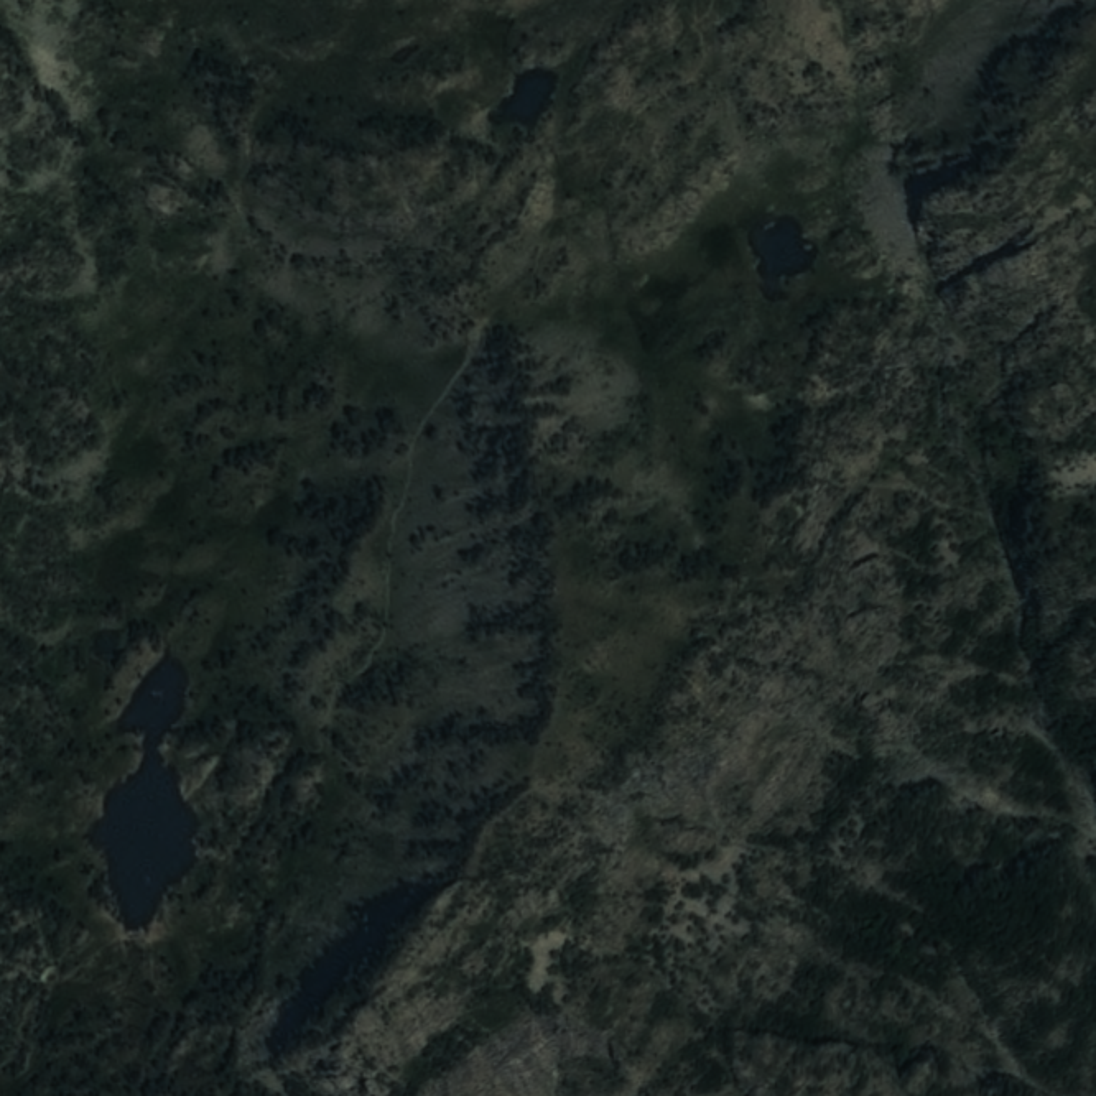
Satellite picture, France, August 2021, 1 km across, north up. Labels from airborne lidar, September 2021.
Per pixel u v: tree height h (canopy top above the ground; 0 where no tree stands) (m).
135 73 0
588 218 0
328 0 0
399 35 0
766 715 0
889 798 15
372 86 0
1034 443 20
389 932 5
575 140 0
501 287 0
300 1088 7
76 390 9
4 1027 7
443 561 0
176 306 0
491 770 0
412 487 0
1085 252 0
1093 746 18
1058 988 8
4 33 10
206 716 0
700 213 0
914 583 11
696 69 0
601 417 0
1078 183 0
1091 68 0
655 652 0
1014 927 18
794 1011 8
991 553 7
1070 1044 8
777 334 0
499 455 9
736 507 0
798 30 0
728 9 0
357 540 8
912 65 0
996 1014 6
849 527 6
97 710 0
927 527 11
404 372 0
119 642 0
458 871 7
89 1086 7
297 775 6
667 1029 0
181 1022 8
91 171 9
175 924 0
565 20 0
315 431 0
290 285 0
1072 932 8
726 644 5
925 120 0
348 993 11
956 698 13
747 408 0
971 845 11
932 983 8
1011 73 0
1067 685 11
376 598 0
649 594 0
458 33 0
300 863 0
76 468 0
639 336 0
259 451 8
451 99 0
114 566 0
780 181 0
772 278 0
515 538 8
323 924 0
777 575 0
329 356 0
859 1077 6
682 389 0
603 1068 7
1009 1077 19
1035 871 17
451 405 0
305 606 9
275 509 0
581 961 9
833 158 0
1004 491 12
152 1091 6
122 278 0
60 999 0
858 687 12
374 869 0
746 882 16
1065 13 8
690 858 8
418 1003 0
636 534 0
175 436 0
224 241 0
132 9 0
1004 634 6
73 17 0
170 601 0
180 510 0
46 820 0
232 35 0
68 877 0
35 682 8
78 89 0
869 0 0
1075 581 9
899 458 7
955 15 0
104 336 0
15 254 8
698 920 10
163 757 0
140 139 0
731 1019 8
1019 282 7
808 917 10
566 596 0
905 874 10
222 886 0
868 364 6
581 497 10
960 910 9
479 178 0
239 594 0
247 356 0
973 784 0
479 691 0
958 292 6
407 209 0
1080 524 6
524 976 9
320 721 0
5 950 8
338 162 0
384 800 11
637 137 0
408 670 7
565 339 0
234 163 0
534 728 9
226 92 9
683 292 0
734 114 0
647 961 6
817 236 0
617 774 6
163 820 0
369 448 8
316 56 0
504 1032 0
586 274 0
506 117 0
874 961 12
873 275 0
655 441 0
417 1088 8
